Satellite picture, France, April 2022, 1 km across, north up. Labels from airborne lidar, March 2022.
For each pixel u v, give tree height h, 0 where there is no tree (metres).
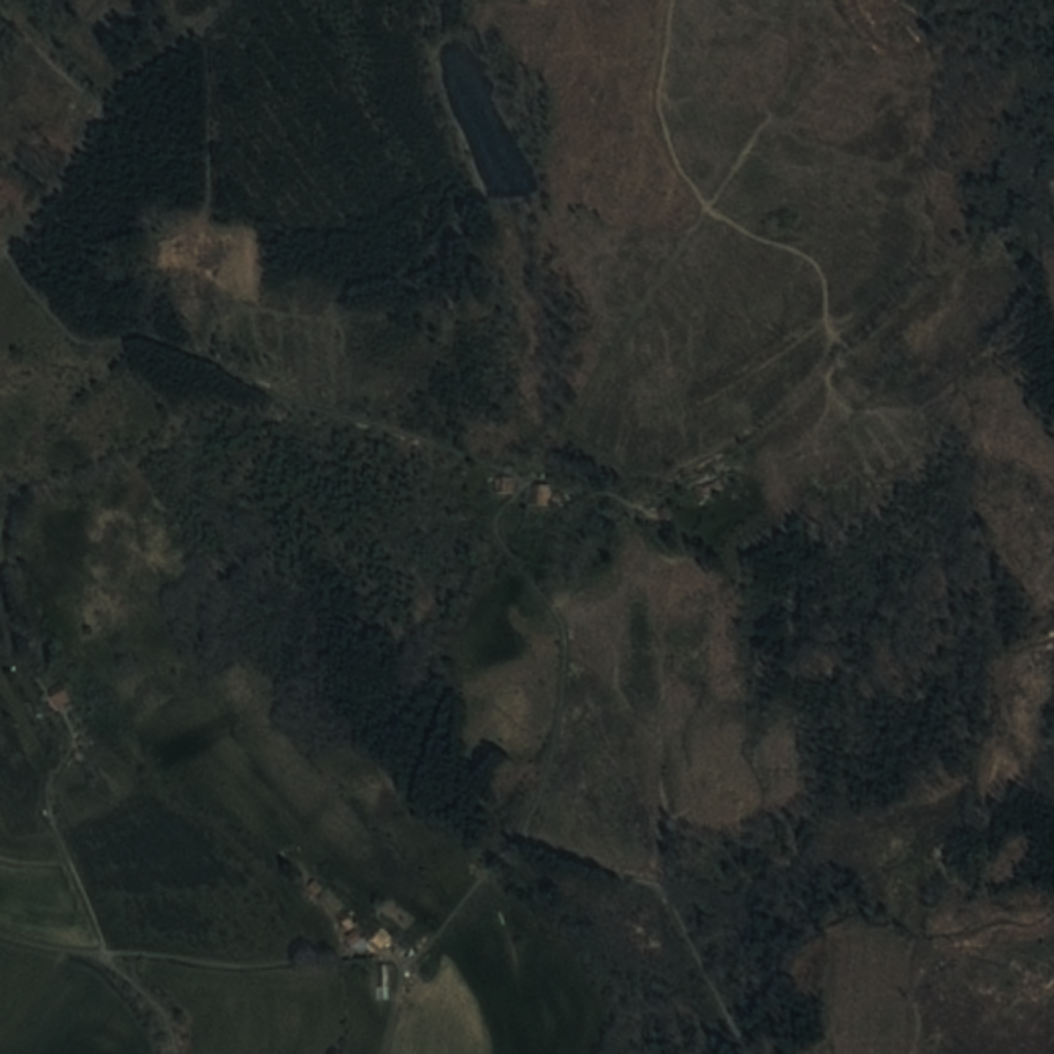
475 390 9
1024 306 18
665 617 0
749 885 13
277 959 0
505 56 26
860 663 13
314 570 11
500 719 0
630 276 0
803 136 0
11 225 0
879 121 0
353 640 22
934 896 19
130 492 0
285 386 0
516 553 6
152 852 0
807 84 0
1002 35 8
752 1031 23
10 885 0
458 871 0
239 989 0
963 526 19
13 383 0
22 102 0
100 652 0
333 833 0
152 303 9
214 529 16
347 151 10
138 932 0
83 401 11
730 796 0
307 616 12
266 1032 0
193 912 0
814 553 15
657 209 0
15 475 0
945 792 21
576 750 0
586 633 0
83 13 0
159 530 0
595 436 0
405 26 7
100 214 9
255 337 0
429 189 9
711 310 0
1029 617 13
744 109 0
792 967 21
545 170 23
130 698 0
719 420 0
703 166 0
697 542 9
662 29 0
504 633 0
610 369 0
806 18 0
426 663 18
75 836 0
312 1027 0
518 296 24
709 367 0
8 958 0
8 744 0
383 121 9
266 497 12
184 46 14
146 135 11
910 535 15
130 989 11
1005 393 0
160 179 13
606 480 20
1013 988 0
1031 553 0
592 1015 0
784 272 0
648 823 0
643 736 0
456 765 30
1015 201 13
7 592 24
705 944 18
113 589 0
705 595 0
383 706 9
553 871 33
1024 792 15
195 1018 0
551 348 21
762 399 0
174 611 18
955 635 7
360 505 7
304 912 0
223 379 17
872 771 21
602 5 0
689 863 20
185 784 0
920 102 0
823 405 0
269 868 0
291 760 0
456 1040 0
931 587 27
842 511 0
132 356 17
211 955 0
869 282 0
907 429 0
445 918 0
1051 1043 0
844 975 0
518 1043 0
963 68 23
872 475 0
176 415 8
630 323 0
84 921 0
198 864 0
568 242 0
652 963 10
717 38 0
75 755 6
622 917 8
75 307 14
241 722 0
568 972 0
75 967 0
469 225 27
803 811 23
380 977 0
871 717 20
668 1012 25
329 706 13
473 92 0
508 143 0
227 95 10
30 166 20
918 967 0
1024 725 0
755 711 10
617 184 0
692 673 0
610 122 0
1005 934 0
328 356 0
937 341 0
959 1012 0
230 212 6
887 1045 0
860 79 0
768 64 0
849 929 0
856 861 0
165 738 0
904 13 0
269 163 6
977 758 18
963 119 27
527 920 0
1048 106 15
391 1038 0
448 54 0
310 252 20
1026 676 0
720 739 0
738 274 0
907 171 0
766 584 12
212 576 16
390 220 13
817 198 0
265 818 0
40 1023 0
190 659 12
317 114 7
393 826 0
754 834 19
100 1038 0
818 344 0
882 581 12
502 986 0
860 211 0
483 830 28
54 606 0
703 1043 26
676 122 0
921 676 16
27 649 29
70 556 0
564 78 0
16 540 18
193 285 0
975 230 16
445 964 0
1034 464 0
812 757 17
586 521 7
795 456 0
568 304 15
